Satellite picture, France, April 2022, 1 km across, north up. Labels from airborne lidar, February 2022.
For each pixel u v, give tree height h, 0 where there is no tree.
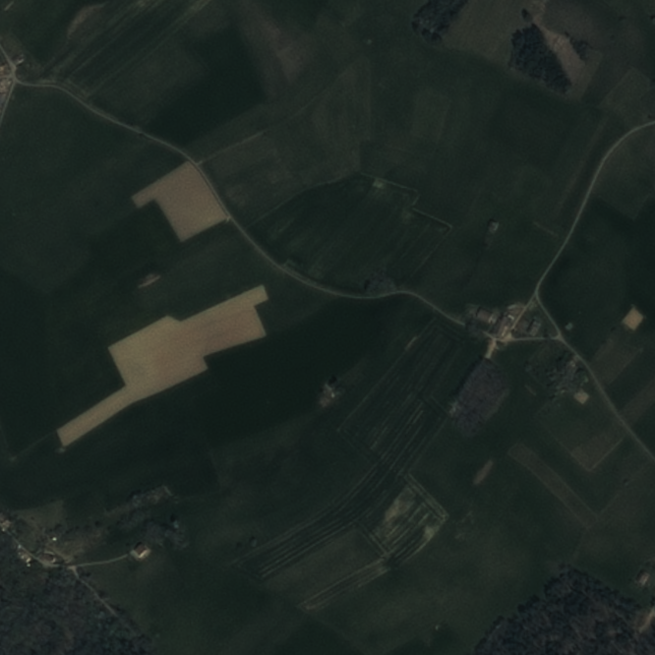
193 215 0
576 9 0
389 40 0
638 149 0
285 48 0
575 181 0
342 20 0
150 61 0
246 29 0
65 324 0
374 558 0
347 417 0
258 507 0
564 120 0
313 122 0
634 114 0
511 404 0
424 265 0
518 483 0
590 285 0
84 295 0
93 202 0
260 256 0
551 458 0
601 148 0
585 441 0
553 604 12
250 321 0
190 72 0
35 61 0
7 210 0
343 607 0
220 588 0
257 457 0
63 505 0
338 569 0
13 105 0
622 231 0
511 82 0
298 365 0
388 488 0
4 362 0
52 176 0
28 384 0
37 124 0
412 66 0
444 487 0
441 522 0
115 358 0
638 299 0
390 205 0
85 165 0
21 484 0
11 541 11
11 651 24
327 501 0
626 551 0
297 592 0
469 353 0
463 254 0
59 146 0
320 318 0
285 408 0
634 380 0
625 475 0
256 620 0
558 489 0
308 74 0
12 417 0
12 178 0
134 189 0
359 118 0
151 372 0
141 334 0
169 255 0
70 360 0
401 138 0
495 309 0
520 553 0
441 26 13
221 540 0
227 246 0
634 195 0
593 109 0
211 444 0
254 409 0
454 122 0
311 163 0
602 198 0
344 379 0
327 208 0
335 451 0
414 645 0
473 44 0
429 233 0
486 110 0
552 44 0
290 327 0
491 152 0
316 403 0
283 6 0
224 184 0
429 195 0
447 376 0
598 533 0
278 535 0
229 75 0
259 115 0
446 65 0
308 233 0
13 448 0
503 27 0
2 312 0
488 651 18
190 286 0
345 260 0
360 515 0
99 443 0
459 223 0
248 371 0
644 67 0
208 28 0
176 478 0
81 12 0
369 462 0
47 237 0
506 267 0
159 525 16
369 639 0
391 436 0
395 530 0
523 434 0
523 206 0
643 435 0
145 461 0
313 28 0
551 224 0
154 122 0
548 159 0
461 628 0
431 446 0
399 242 0
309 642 0
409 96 0
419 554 0
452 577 0
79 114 0
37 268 0
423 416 0
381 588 0
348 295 0
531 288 0
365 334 0
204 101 0
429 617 0
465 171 0
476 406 27
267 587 0
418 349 0
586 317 0
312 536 0
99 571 0
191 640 0
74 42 0
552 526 0
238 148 0
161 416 0
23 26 0
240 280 0
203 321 0
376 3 0
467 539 0
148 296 0
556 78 11
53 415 0
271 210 0
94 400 0
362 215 0
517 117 0
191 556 0
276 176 0
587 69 0
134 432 0
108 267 0
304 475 0
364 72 0
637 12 0
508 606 0
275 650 0
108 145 0
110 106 0
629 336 0
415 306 0
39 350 0
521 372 0
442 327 0
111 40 0
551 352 0
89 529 11
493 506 0
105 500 0
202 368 0
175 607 0
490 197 0
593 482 0
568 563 0
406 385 0
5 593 25
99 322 0
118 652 30
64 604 19
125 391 0
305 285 0
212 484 0
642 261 0
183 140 0
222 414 0
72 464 0
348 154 0
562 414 0
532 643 27
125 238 0
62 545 0
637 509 0
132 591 0
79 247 0
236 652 0
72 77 0
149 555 0
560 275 0
